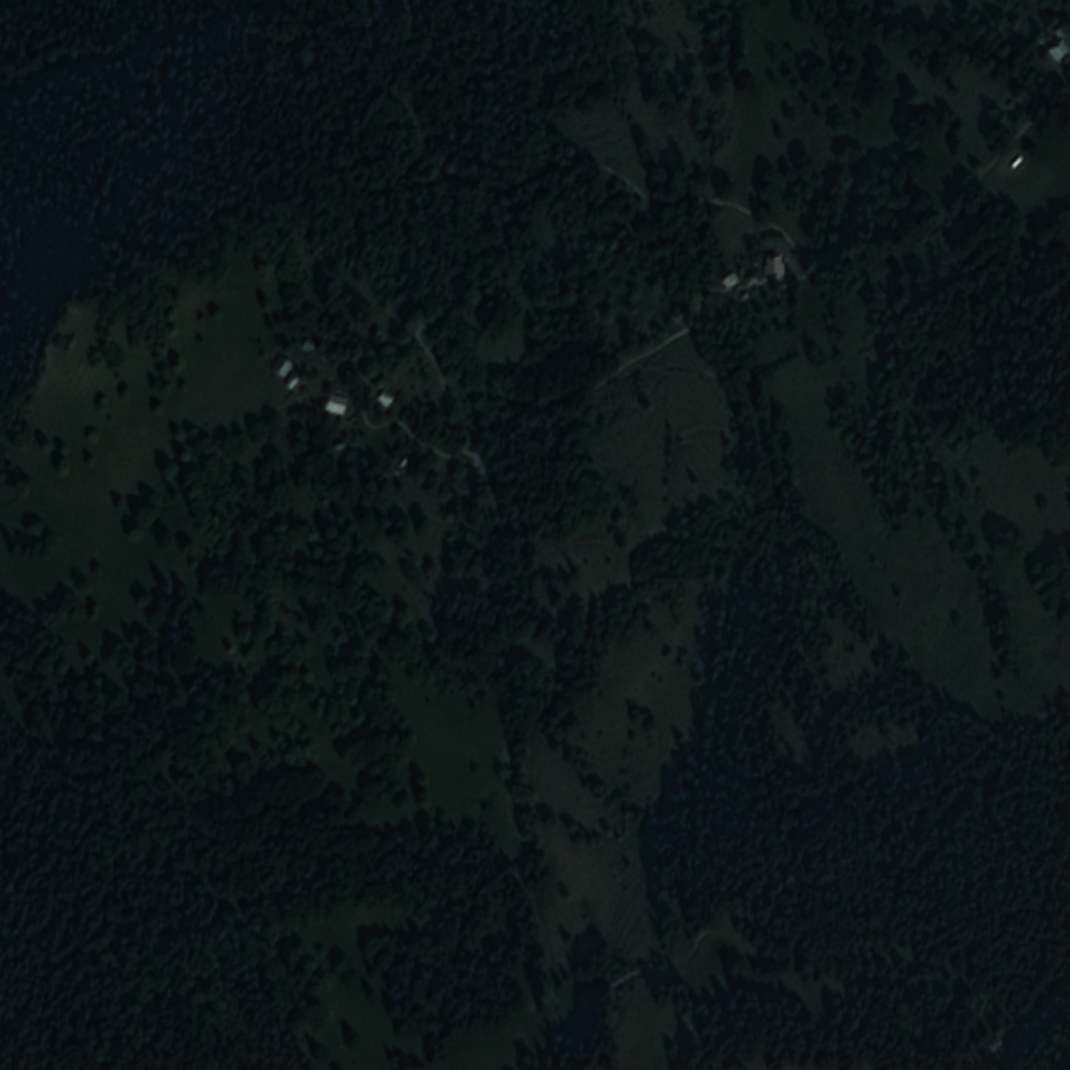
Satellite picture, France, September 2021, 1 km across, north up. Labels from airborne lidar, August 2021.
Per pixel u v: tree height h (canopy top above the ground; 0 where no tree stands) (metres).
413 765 0
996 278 19
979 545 15
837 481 0
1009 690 0
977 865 22
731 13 7
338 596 20
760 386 13
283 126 31
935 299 22
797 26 14
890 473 15
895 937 23
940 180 0
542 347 14
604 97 14
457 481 8
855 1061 18
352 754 20
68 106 23
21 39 26
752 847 25
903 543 0
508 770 10
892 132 0
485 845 13
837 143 0
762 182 17
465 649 17
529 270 12
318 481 19
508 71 24
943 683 0
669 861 22
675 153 0
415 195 19
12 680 15
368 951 17
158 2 20
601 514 18
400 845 19
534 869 16
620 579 0
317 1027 16
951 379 11
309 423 14
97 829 23
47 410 0
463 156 25
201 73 27
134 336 12
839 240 9
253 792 20
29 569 0
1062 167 0
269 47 24
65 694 8
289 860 23
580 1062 23
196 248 29
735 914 10
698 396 0
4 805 28
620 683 0
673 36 0
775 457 15
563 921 0
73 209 27
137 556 0
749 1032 24
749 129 0
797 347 0
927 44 25
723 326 13
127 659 20
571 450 18
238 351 0
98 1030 28
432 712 0
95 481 0
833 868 17
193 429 9
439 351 15
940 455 0
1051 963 26
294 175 31
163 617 13
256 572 14
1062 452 22
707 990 0
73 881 34
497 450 21
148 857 16
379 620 20
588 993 0
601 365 21
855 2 18
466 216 24
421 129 7
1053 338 26
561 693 17
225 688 18
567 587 13
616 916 0
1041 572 15
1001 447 18
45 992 32
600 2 7
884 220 16
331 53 22
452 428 16
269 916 21
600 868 0
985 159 0
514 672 19
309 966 10
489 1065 0
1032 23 0
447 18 18
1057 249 0
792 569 14
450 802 0
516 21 25
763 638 16
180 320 0
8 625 19
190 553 15
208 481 20
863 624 11
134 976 17
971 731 15
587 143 0
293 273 24
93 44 20
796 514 13
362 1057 0
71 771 12
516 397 20
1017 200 0
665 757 0
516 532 10
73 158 26
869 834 24
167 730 15
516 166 22
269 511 21
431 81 21
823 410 0
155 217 36
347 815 20
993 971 22
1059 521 0
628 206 10
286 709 14
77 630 0
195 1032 20
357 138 13
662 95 14
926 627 0
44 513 0
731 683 20
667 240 11
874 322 21
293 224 26
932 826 9
